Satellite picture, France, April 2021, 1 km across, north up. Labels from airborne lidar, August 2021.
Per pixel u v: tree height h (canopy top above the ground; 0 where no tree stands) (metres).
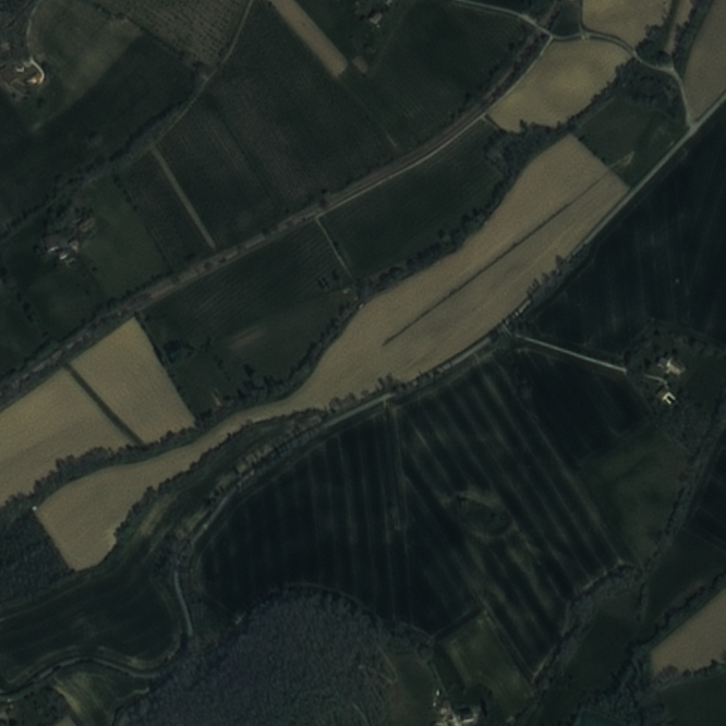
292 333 0
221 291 6
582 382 0
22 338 0
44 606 0
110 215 0
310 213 0
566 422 0
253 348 0
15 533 11
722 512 0
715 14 0
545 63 0
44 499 14
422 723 0
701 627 0
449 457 0
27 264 0
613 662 0
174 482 8
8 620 0
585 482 0
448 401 0
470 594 0
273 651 20
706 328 0
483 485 0
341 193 0
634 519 0
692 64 0
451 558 0
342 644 21
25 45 17
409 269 7
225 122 7
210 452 9
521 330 18
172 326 0
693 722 0
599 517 0
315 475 0
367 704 16
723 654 0
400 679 0
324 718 14
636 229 0
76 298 0
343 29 0
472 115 0
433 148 0
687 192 0
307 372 14
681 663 0
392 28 0
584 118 10
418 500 0
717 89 0
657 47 15
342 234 7
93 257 0
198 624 6
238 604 0
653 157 0
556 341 0
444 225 0
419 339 0
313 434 15
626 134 0
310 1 0
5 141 0
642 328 0
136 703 0
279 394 24
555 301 0
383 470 0
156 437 0
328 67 0
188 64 11
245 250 11
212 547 0
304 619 15
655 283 0
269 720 16
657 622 0
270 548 0
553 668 8
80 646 0
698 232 0
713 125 0
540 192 0
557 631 0
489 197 0
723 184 0
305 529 0
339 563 0
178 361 26
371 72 0
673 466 0
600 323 0
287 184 5
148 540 0
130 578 0
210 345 8
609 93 13
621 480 0
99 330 17
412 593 0
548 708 0
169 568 17
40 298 0
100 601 0
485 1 0
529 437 0
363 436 0
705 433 10
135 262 0
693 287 0
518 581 0
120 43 0
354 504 0
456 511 0
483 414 0
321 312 0
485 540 0
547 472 0
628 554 0
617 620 0
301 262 7
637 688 20
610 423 0
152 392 0
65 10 0
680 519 11
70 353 11
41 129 0
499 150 22
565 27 0
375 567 0
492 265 0
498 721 8
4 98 0
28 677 0
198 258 13
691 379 0
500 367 0
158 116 0
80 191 7
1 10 8
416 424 0
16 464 0
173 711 19
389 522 0
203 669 16
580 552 0
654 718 17
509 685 0
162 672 0
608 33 0
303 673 18
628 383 0
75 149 0
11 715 9
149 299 13
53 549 20
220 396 0
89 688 0
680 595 0
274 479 0
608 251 0
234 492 0
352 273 0
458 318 0
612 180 0
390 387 12
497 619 0
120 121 0
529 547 0
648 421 0
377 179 0
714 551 0
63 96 0
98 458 19
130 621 0
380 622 21
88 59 0
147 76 0
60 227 18
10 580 18
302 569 0
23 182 0
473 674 0
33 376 11
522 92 0
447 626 0
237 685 22
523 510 0
